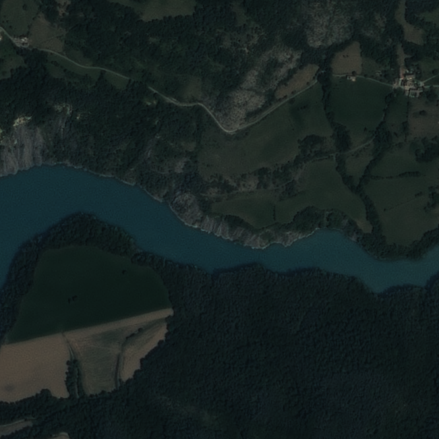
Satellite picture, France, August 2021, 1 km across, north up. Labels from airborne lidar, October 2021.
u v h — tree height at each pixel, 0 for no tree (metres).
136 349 0
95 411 11
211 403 16
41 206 0
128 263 0
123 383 9
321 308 20
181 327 20
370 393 21
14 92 19
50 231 20
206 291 24
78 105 11
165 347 27
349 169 0
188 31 13
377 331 17
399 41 7
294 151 0
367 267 0
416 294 13
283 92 0
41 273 0
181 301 8
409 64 10
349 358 22
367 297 20
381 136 18
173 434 14
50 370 0
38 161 0
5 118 13
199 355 19
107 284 0
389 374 19
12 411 10
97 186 0
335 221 15
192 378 16
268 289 20
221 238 0
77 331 0
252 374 20
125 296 0
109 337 0
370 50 9
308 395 13
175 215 0
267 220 0
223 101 6
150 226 0
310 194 0
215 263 0
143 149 10
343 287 17
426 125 0
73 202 0
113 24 17
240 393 8
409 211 0
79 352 0
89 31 16
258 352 18
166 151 9
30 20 0
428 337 12
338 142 7
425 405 17
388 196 0
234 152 0
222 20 14
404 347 18
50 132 7
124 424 18
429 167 0
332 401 16
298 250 0
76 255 0
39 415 8
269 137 0
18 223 0
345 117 0
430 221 0
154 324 0
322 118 0
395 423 16
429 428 30
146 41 13
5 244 0
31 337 0
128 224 0
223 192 9
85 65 0
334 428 19
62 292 0
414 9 10
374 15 7
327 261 0
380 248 8
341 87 0
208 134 0
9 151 6
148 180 7
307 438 29
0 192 0
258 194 0
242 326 18
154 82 11
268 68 6
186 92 0
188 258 0
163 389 16
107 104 13
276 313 13
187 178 9
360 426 20
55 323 0
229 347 19
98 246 13
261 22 9
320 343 23
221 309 21
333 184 0
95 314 0
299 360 10
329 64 14
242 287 20
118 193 0
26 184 0
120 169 9
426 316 10
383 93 0
